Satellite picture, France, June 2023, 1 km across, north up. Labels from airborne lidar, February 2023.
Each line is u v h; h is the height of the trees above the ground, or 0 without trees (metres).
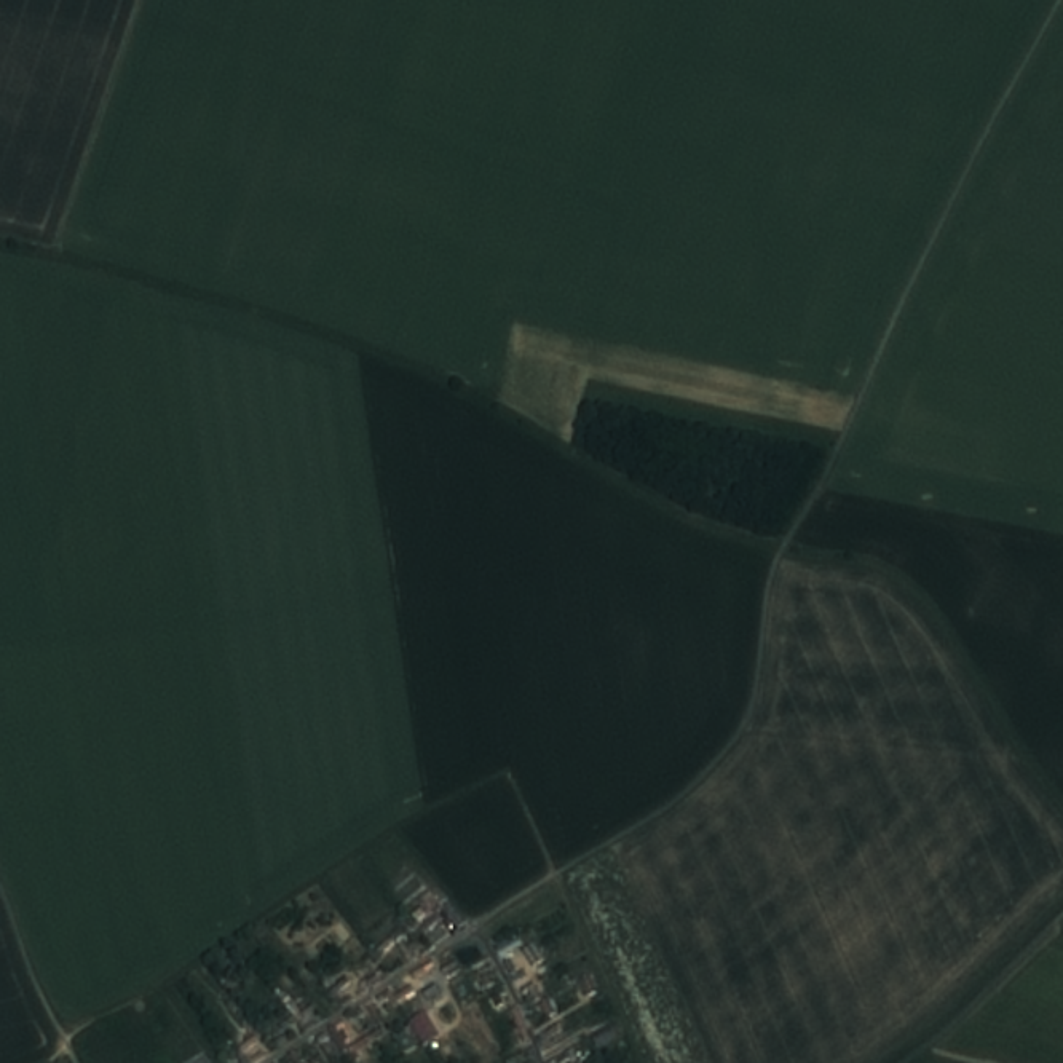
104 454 0
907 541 0
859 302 0
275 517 0
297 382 0
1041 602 0
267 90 0
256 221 0
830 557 0
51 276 0
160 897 0
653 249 0
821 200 0
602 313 0
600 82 0
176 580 0
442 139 0
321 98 0
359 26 0
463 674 0
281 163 0
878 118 0
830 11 0
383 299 0
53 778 0
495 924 0
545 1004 0
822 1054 0
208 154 0
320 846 0
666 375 0
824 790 0
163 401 0
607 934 0
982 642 0
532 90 0
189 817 0
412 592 0
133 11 0
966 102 0
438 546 0
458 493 0
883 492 0
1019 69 0
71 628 0
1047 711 0
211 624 0
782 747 0
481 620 0
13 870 0
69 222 0
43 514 0
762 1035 0
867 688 0
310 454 0
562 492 0
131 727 0
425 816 0
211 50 0
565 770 0
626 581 0
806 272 0
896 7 0
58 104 0
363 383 0
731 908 0
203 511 0
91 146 0
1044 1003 0
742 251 0
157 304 0
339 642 0
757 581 0
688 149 0
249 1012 16
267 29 0
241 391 0
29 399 0
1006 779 0
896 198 0
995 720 0
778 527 13
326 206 0
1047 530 0
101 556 0
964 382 0
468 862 0
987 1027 0
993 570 0
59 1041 0
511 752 0
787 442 10
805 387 0
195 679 0
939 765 0
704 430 17
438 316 0
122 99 0
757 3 0
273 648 0
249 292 0
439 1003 0
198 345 0
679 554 0
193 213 0
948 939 0
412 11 0
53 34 0
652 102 0
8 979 0
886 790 0
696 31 0
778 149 0
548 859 0
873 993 0
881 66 0
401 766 0
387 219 0
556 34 0
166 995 0
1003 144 0
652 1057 0
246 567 0
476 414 0
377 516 0
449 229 0
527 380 0
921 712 0
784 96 0
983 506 0
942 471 0
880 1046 0
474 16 0
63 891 0
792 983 0
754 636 0
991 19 0
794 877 0
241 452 0
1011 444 0
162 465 0
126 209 0
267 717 0
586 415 14
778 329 0
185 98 0
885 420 0
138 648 0
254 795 0
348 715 0
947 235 0
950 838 0
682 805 0
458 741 0
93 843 0
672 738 0
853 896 0
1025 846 0
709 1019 0
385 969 7
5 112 0
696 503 13
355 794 0
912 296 0
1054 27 0
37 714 0
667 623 0
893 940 0
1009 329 0
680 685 0
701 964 0
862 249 0
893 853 0
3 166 0
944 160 0
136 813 0
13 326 0
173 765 0
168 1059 0
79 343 0
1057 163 0
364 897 0
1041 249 0
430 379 0
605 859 0
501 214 0
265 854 0
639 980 0
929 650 0
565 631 0
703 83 0
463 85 0
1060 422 0
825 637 0
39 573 0
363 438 0
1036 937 0
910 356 0
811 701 0
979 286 0
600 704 0
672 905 0
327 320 0
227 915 0
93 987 0
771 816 0
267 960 9
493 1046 0
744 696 0
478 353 0
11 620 0
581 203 0
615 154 0
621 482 0
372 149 0
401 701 0
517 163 0
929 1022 0
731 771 0
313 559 0
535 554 0
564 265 0
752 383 0
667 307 0
